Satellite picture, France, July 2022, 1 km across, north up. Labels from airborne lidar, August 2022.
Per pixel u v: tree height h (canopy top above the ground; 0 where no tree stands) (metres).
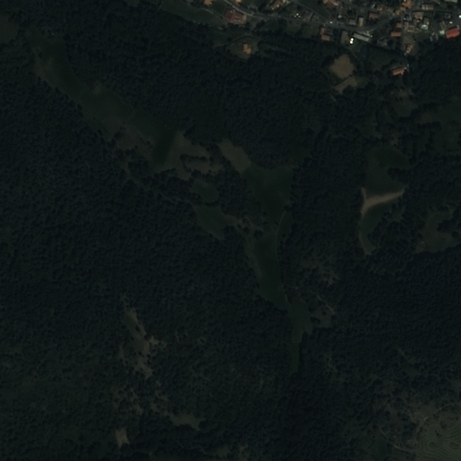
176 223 13
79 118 14
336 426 15
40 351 12
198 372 12
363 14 0
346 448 11
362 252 27
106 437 12
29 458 20
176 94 18
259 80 23
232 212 10
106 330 8
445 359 15
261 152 16
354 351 13
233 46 0
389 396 11
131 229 9
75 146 21
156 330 6
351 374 13
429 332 17
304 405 20
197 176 14
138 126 0
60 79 0
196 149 0
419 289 26
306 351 20
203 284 7
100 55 16
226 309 18
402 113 0
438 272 24
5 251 9
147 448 25
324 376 10
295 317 0
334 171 20
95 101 0
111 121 0
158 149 0
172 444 24
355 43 0
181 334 10
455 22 0
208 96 10
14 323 12
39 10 18
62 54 0
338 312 10
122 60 16
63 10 23
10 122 13
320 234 18
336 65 0
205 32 15
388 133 18
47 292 15
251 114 23
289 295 5
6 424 8
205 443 23
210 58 22
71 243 20
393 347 7
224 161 14
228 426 20
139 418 11
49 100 12
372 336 18
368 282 22
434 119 0
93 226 12
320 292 10
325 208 21
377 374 11
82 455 21
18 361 6
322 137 20
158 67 25
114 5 21
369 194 0
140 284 13
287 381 19
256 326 14
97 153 21
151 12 19
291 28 0
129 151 15
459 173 23
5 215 12
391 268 18
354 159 18
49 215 12
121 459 7
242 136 20
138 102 19
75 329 10
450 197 16
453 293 18
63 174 17
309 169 22
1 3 19
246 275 24
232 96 22
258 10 8
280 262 9
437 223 0
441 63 19
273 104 20
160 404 8
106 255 15
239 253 20
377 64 0
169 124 20
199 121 17
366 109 13
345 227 16
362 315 17
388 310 20
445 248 0
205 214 0
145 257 14
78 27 20
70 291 8
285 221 0
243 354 10
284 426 11
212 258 20
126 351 8
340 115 22
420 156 16
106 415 10
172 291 18
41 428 8
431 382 16
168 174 9
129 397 11
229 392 10
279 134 22
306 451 22
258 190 0
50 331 11
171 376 12
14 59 8
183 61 13
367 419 9
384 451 0
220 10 0
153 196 22
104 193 21
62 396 8
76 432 0
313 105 23
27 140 12
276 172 0
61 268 13
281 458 21
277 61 13
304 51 16
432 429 0
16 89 11
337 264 11
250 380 9
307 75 18
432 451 0
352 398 7
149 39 13
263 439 9
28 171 13
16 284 13
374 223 0
